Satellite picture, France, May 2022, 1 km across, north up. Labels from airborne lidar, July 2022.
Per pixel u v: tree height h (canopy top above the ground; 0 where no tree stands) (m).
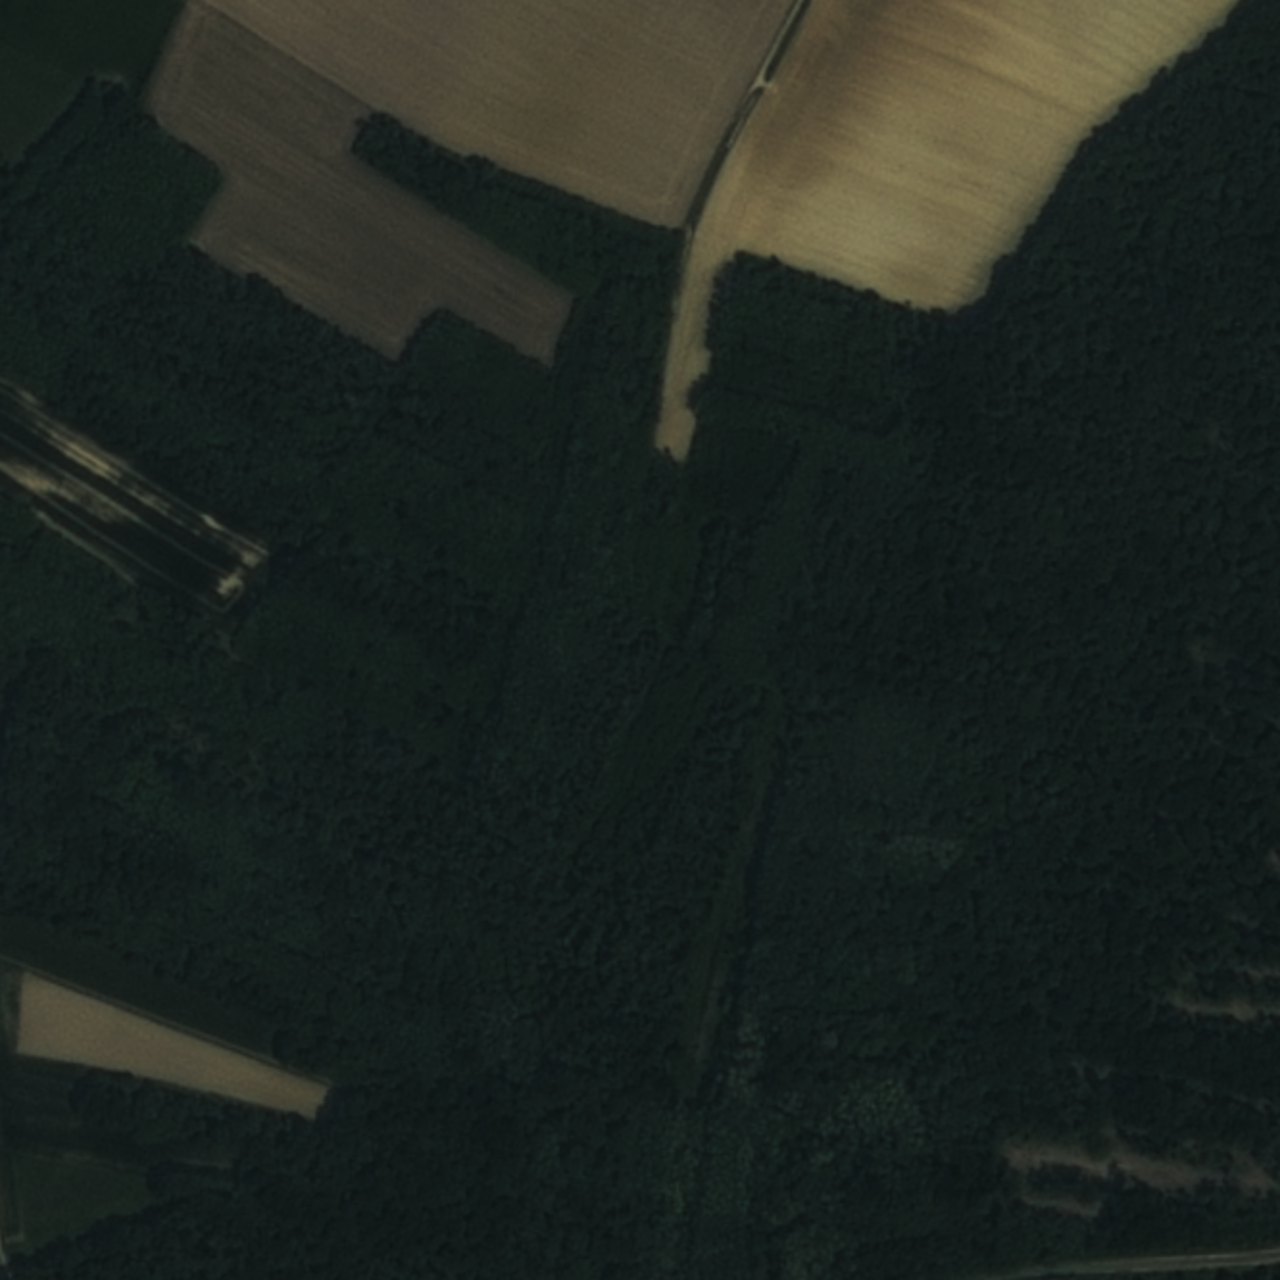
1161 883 26
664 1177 28
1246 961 28
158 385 25
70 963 0
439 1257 30
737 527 6
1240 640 25
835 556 31
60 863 25
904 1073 26
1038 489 24
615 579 24
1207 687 27
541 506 11
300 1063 13
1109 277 25
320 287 0
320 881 28
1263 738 25
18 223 21
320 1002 17
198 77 0
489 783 30
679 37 0
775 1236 25
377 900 28
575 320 6
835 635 28
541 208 20
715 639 23
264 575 0
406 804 28
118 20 0
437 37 0
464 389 9
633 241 15
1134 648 18
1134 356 27
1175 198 23
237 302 26
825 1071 23
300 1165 22
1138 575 26
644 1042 20
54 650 26
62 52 0
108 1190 0
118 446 19
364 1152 27
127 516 0
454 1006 27
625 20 0
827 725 21
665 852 22
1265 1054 30
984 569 24
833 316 23
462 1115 27
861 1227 23
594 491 22
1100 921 23
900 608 26
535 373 13
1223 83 26
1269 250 29
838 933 29
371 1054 21
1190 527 25
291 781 18
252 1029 0
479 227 16
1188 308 26
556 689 26
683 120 0
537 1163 33
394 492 16
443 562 25
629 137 0
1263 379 18
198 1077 0
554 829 12
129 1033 0
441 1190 26
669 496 22
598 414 20
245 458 25
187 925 21
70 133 20
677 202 0
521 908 31
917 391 30
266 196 0
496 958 23
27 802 26
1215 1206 24
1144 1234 24
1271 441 22
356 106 0
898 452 25
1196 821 27
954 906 22
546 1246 31
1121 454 23
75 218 28
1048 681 25
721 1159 24
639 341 18
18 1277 23
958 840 27
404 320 0
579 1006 12
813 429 21
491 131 0
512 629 24
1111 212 24
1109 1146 6
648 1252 27
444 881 33
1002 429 28
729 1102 24
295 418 22
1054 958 31
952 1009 23
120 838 26
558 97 0
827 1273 26
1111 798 23
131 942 21
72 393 21
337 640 21
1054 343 27
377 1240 28
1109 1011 24
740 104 0
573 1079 29
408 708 15
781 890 24
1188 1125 28
